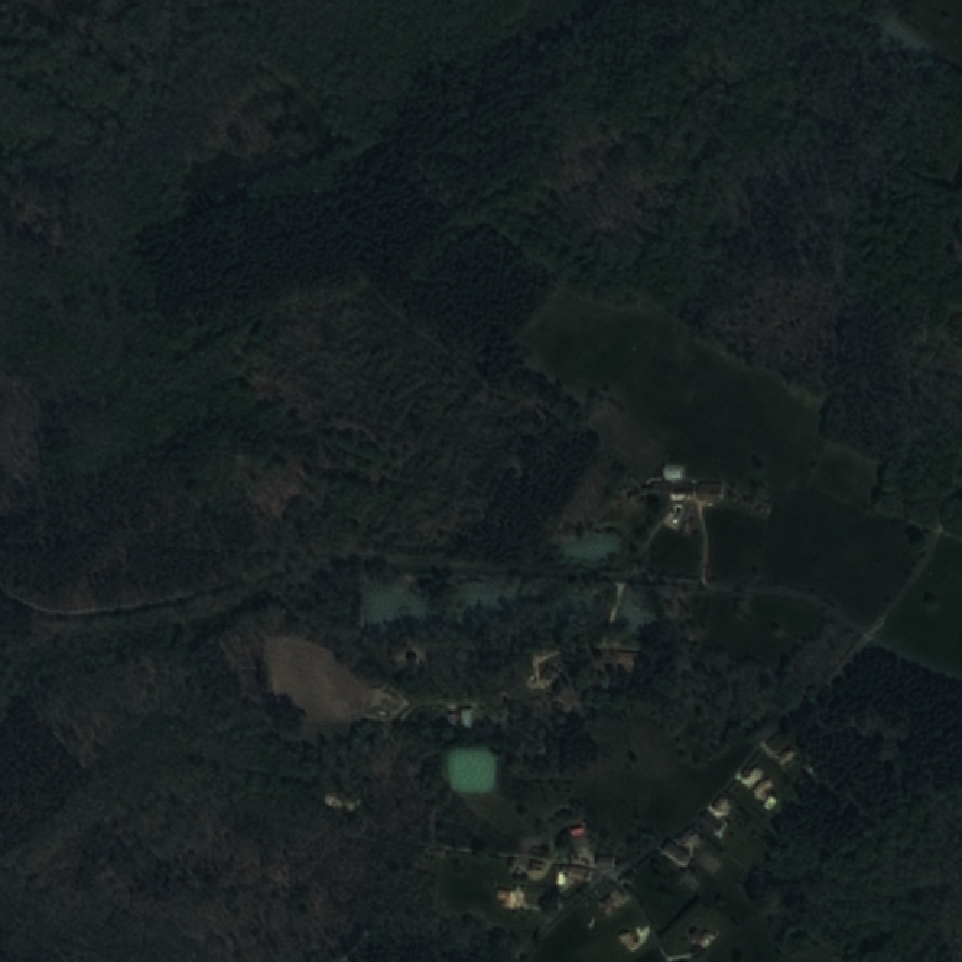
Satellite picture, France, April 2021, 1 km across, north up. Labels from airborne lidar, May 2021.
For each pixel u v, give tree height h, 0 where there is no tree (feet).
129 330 49
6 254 56
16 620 79
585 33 46
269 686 47
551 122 61
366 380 32
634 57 68
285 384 29
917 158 77
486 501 44
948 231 65
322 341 26
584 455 65
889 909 70
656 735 0
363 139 61
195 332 48
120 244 49
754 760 0
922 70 59
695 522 20
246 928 32
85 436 50
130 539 69
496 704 48
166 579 75
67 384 41
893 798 59
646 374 0
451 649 54
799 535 0
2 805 74
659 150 102
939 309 56
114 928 48
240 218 63
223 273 76
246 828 34
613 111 85
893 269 90
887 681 52
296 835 43
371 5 68
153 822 36
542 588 40
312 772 69
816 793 57
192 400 62
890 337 82
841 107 59
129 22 67
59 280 61
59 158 70
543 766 37
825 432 43
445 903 0
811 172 46
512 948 60
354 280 68
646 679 65
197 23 84
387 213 73
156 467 73
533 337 0
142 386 53
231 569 76
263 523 47
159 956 46
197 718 43
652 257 65
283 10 63
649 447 0
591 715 22
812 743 70
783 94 54
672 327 0
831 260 70
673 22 78
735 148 66
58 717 36
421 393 28
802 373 31
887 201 92
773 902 58
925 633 0
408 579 44
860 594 0
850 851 58
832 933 45
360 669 27
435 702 47
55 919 53
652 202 47
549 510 61
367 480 31
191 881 45
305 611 91
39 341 58
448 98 64
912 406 44
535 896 0
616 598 56
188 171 47
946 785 53
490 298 66
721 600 0
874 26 41
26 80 27
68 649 49
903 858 56
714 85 42
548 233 72
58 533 65
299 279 69
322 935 20
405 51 63
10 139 68
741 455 0
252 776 50
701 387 0
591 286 73
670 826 0
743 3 59
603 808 0
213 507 54
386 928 51
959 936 51
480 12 62
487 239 58
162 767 49
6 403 60
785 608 0
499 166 80
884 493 37
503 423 30
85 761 32
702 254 66
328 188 57
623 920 0
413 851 36
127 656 52
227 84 63
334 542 71
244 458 49
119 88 74
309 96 75
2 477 68
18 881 41
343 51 52
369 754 56
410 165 70
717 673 37
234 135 43
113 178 58
